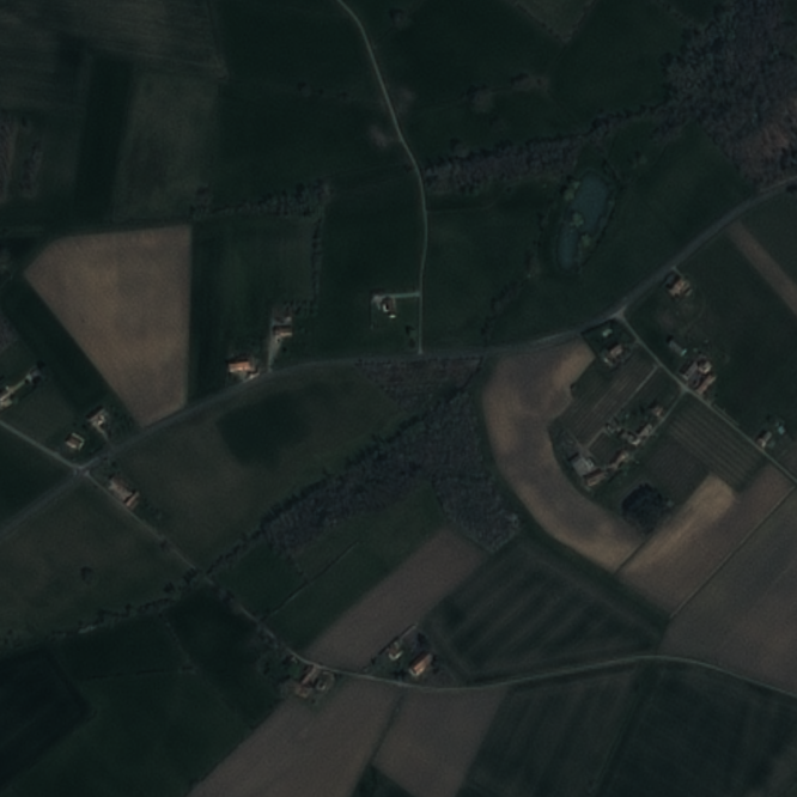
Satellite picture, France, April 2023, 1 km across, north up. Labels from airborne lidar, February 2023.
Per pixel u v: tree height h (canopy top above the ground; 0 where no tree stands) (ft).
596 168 0
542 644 0
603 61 0
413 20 0
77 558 0
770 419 27
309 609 0
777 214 0
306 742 0
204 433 0
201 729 0
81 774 0
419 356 0
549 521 0
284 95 0
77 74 0
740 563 0
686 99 25
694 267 0
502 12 0
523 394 0
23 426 0
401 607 0
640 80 0
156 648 0
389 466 52
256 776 0
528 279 0
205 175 0
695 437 0
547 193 0
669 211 0
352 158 0
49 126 0
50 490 0
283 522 80
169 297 0
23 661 0
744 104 63
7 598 0
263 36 0
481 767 0
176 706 0
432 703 0
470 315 0
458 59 0
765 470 0
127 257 0
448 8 0
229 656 0
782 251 0
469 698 0
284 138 0
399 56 0
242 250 0
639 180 0
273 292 0
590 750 0
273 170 0
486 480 20
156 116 0
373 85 0
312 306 24
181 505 0
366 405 0
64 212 0
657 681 0
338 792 0
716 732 0
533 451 0
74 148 0
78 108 0
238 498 0
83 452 0
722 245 0
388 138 0
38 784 0
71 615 0
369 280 0
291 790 0
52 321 0
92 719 0
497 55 0
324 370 0
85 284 0
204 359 0
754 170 59
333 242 0
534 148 49
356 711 0
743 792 0
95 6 0
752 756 0
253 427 0
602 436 0
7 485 0
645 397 0
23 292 0
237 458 0
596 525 0
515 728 0
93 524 0
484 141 0
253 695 0
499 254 0
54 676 0
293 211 55
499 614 0
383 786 0
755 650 0
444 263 0
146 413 0
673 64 51
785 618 0
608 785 0
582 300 0
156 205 0
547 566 0
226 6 0
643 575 0
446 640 0
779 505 0
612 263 0
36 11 0
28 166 36
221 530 0
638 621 0
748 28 76
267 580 0
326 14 0
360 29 0
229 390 0
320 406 0
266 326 0
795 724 0
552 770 0
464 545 0
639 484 0
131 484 0
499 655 0
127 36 0
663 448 0
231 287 0
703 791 0
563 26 0
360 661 0
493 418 0
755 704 0
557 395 0
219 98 0
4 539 0
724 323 0
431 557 0
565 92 0
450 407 44
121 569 0
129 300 0
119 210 0
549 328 0
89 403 0
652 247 0
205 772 0
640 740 0
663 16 0
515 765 0
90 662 0
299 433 0
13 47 0
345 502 57
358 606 0
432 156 0
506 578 0
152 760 0
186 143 0
